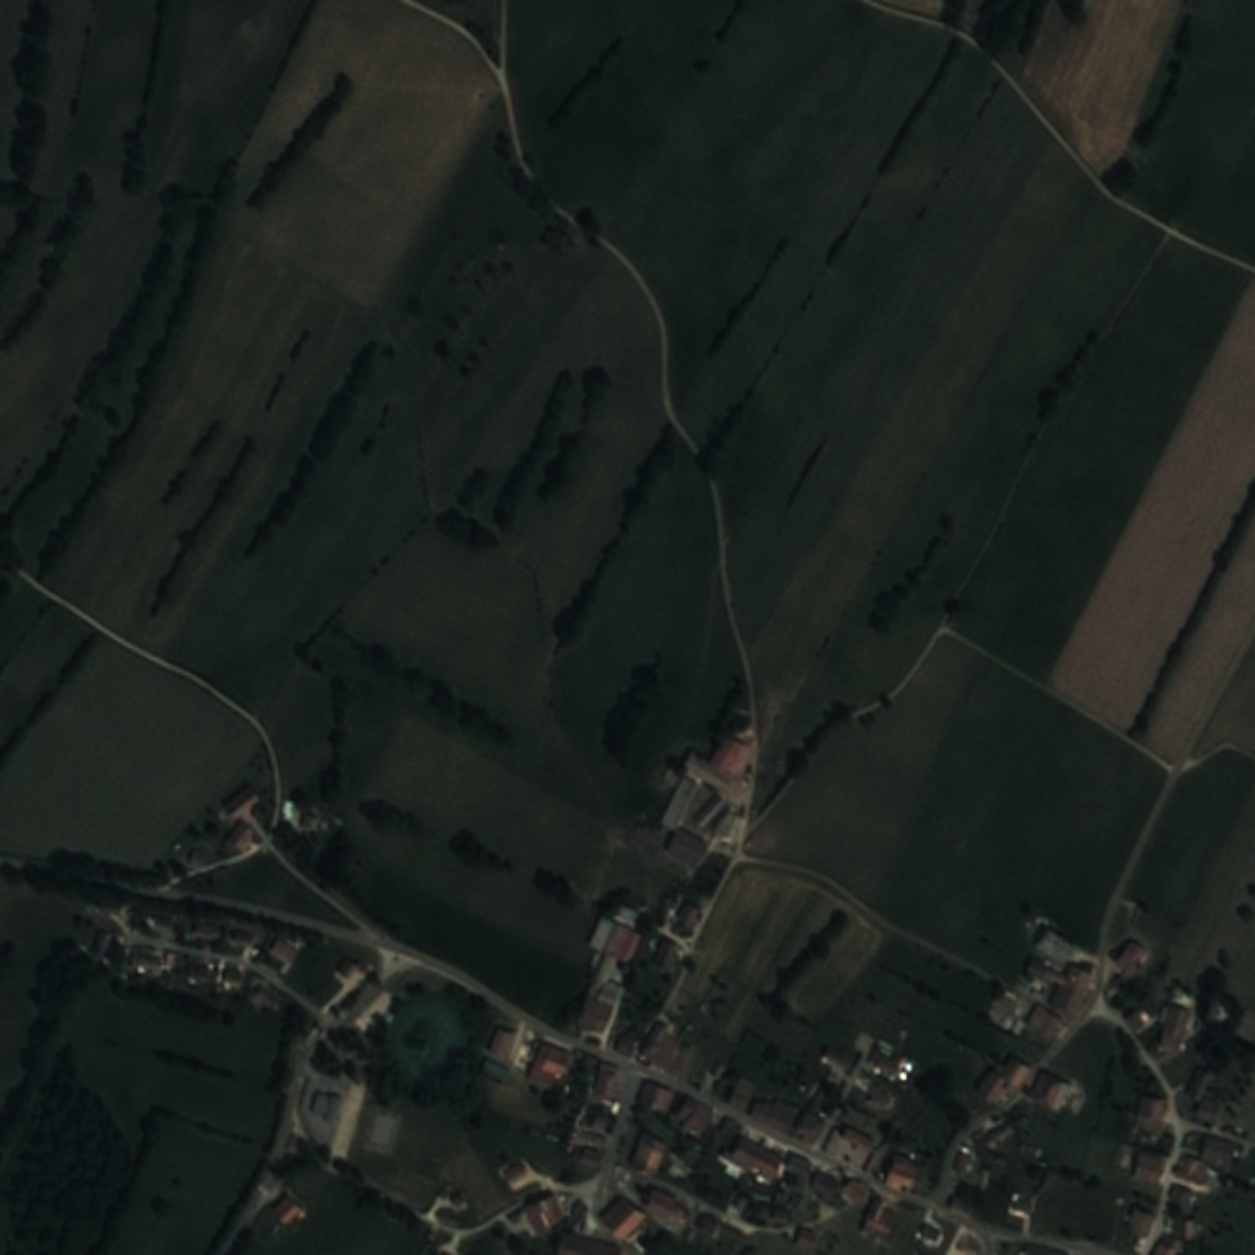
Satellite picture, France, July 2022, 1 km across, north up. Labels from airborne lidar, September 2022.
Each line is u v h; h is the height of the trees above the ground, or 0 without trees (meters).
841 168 0
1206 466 0
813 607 0
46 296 10
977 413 0
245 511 0
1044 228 0
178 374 0
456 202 0
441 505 0
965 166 0
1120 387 0
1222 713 0
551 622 0
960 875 0
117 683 0
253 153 0
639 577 0
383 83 0
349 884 11
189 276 10
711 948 0
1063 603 0
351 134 0
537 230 0
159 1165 0
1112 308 0
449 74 0
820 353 0
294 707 0
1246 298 0
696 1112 0
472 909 0
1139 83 0
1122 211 0
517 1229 0
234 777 0
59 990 23
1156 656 0
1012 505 0
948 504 0
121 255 0
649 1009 7
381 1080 15
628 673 0
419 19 0
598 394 20
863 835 0
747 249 0
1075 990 0
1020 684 0
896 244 0
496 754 0
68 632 0
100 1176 22
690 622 0
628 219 0
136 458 0
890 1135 14
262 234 0
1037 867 0
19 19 0
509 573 0
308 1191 0
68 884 20
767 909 0
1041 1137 0
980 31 13
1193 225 0
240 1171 0
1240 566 0
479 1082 8
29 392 0
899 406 0
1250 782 0
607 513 0
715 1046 0
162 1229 0
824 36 0
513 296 0
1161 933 0
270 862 0
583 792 0
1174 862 0
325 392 0
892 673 0
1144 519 0
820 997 0
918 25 0
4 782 0
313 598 0
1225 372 0
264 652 0
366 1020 0
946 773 0
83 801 0
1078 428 0
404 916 0
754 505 0
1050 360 0
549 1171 0
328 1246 0
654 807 0
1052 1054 0
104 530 0
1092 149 0
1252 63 0
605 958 0
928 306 0
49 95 0
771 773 0
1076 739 0
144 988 6
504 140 13
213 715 0
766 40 0
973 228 0
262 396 0
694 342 0
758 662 0
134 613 0
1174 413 0
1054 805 0
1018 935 0
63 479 0
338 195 0
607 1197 0
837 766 0
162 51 8
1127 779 0
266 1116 0
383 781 0
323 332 0
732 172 0
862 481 0
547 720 0
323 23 0
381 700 0
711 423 0
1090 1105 0
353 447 0
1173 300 0
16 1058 0
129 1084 0
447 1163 0
